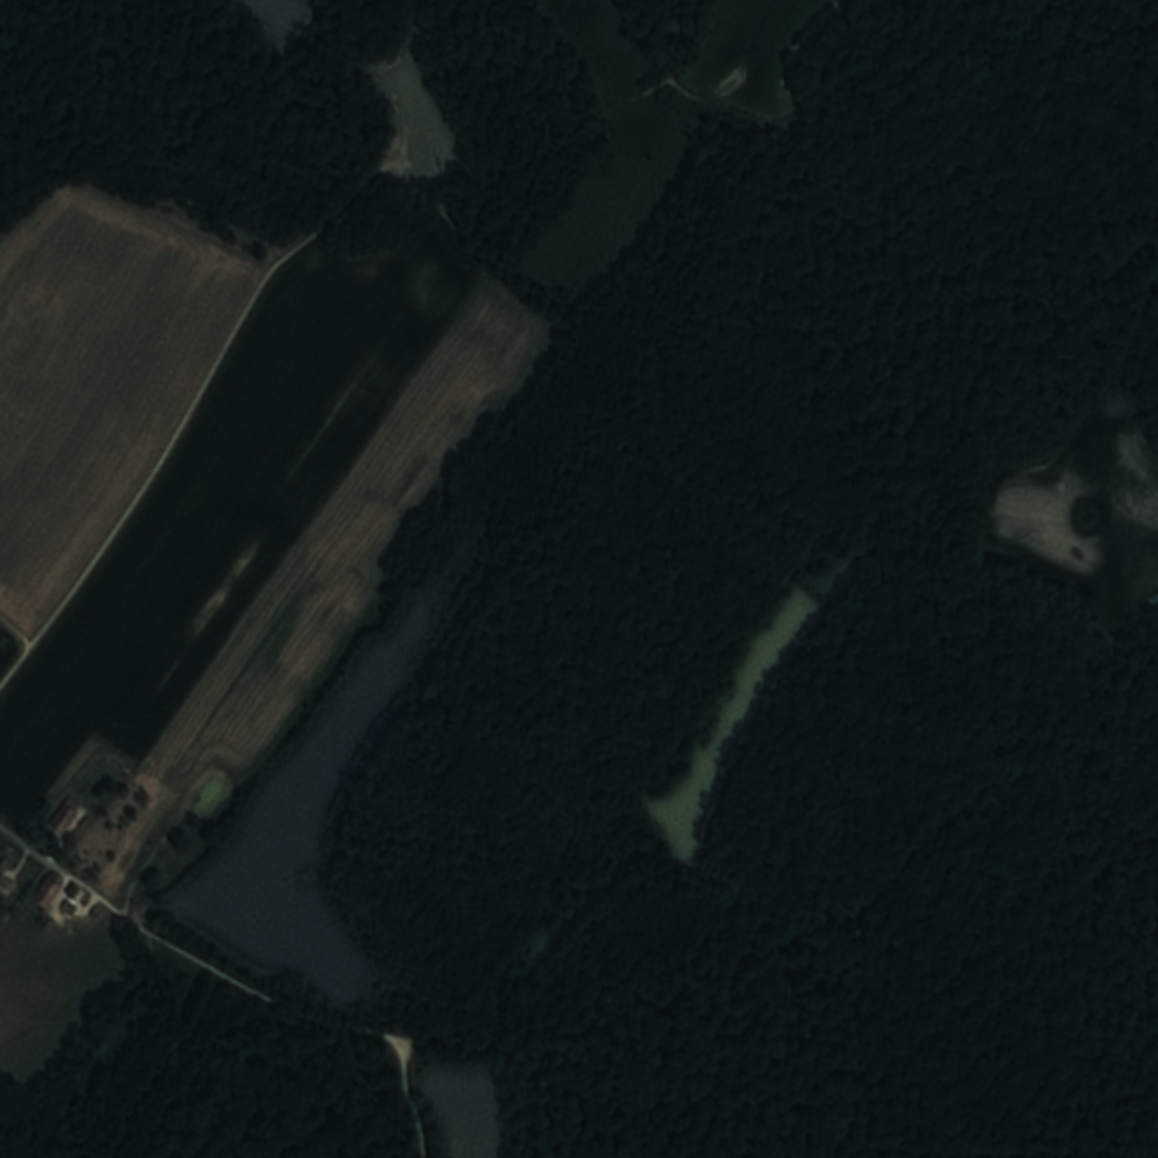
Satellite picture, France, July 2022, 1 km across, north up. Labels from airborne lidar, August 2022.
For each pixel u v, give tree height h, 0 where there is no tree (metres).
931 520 20
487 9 15
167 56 24
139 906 0
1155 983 20
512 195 20
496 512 14
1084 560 0
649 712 24
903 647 23
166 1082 17
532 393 18
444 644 11
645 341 25
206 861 8
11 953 0
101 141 20
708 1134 30
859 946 26
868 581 28
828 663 20
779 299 24
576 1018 22
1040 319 27
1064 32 21
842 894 21
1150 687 26
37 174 27
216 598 0
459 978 23
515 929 21
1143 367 24
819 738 24
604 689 20
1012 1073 23
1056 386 26
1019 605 22
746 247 29
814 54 25
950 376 22
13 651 0
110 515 0
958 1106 17
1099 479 0
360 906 22
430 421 0
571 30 0
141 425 0
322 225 12
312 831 0
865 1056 23
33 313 0
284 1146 7
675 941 22
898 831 26
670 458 26
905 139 23
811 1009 24
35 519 0
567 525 22
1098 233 27
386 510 0
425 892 23
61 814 0
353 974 0
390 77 0
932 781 23
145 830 0
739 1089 25
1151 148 26
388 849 21
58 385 0
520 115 25
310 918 0
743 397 20
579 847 20
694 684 20
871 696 22
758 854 16
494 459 22
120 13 24
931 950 18
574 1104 26
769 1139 25
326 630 0
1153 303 25
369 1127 25
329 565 0
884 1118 22
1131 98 24
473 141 23
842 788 19
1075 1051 15
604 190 0
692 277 23
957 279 24
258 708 0
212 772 0
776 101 0
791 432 24
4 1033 0
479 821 22
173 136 25
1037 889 22
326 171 23
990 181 25
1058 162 23
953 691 23
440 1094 0
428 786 21
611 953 19
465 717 23
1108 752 21
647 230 15
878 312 24
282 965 0
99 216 0
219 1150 23
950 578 25
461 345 0
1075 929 19
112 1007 21
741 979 27
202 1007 15
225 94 24
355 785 24
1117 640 14
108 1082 18
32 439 0
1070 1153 19
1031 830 21
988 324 28
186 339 0
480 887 19
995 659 23
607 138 21
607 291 21
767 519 23
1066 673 29
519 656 15
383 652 0
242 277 0
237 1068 28
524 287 18
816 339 21
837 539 24
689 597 19
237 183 16
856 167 26
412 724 21
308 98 24
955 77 24
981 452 25
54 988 0
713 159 21
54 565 0
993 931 24
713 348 24
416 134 0
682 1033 20
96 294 0
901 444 24
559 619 23
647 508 23
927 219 24
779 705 22
